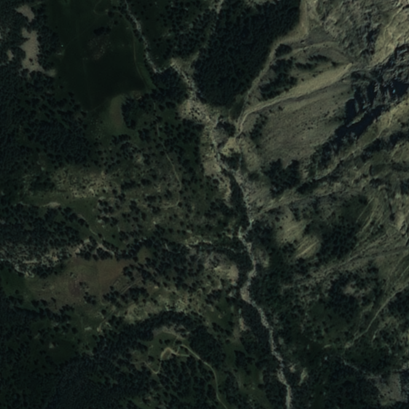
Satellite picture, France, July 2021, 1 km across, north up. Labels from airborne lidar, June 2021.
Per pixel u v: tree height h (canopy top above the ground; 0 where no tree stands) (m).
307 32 0
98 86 0
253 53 27
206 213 9
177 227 0
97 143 11
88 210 0
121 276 0
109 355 24
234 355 0
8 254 12
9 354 14
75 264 0
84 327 0
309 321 8
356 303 20
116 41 0
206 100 13
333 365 8
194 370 21
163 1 0
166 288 0
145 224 0
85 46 0
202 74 25
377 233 9
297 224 0
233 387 23
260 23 28
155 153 10
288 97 0
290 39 0
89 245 14
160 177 0
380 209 0
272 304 13
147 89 0
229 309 0
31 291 0
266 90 7
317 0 0
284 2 11
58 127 27
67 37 0
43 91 10
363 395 29
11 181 10
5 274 0
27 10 0
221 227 0
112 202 0
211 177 11
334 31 0
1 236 16
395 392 0
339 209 0
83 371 23
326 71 0
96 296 8
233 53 22
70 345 0
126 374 25
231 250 12
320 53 0
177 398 24
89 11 0
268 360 16
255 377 0
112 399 26
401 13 0
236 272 0
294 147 0
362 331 9
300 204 0
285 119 0
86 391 29
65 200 0
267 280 7
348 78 0
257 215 0
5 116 29
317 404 0
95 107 0
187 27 5
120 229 0
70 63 0
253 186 0
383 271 0
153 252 0
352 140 13
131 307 0
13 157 25
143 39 17
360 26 0
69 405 28
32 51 0
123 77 0
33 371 11
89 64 0
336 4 0
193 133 18
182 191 14
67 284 0
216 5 7
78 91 0
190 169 19
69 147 28
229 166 6
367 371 23
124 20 0
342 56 0
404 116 0
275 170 19
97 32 22
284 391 16
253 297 7
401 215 0
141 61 0
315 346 0
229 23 17
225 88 27
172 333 0
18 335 23
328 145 6
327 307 8
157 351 0
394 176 0
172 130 11
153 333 14
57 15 0
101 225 0
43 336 11
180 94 25
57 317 25
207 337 19
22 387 9
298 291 6
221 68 20
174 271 0
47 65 17
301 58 0
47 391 16
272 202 0
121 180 0
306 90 0
